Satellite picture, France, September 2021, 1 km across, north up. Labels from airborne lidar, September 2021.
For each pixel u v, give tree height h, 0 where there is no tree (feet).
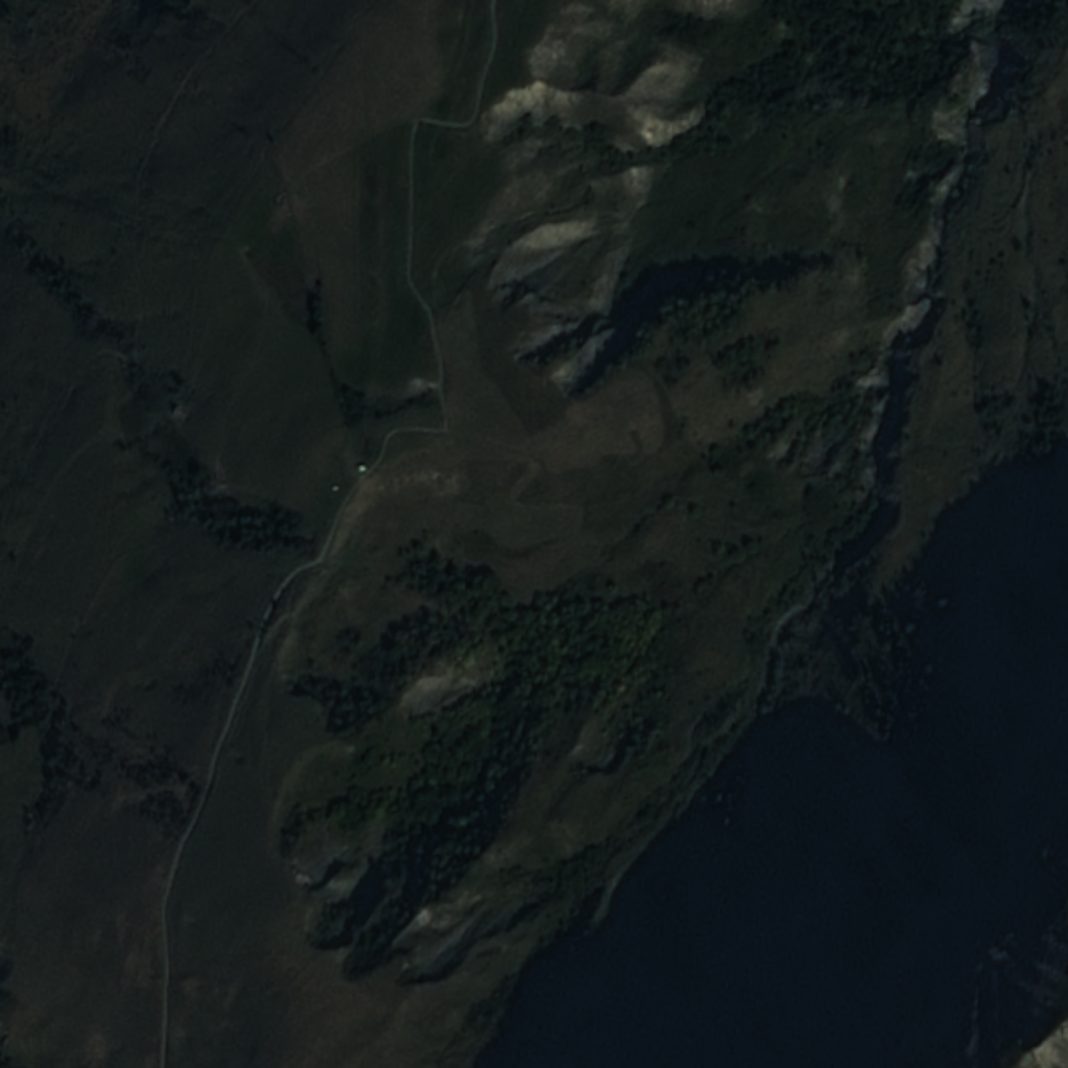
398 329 0
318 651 0
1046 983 0
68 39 0
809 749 0
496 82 0
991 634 0
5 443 0
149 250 0
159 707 0
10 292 0
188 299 0
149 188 0
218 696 0
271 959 0
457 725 34
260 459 0
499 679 20
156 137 0
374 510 0
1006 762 0
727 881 0
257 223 0
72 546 0
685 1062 0
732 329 34
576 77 0
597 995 0
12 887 0
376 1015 0
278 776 0
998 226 0
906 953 0
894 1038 0
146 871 0
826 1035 0
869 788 0
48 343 0
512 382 0
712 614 0
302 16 0
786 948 0
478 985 0
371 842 0
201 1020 0
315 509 0
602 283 0
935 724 24
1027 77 24
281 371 0
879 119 0
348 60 0
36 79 0
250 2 0
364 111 0
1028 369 0
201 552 0
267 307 0
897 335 0
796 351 0
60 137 0
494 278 0
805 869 0
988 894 0
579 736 0
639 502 0
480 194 0
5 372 0
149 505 0
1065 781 0
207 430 0
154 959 0
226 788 0
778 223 0
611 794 0
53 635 0
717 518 0
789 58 35
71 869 0
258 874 0
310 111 0
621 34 0
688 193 0
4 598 0
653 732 20
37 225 0
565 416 0
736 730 22
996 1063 0
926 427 0
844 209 0
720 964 0
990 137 0
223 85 0
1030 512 0
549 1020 0
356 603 0
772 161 0
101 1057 0
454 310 0
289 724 0
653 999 0
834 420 31
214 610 0
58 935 0
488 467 0
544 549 0
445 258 0
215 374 0
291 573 0
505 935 0
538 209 0
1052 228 0
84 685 0
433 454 0
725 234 0
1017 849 0
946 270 0
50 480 0
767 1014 0
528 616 55
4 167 0
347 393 29
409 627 27
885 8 31
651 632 31
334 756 0
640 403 0
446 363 0
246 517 36
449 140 0
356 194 0
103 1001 0
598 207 0
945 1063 0
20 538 0
